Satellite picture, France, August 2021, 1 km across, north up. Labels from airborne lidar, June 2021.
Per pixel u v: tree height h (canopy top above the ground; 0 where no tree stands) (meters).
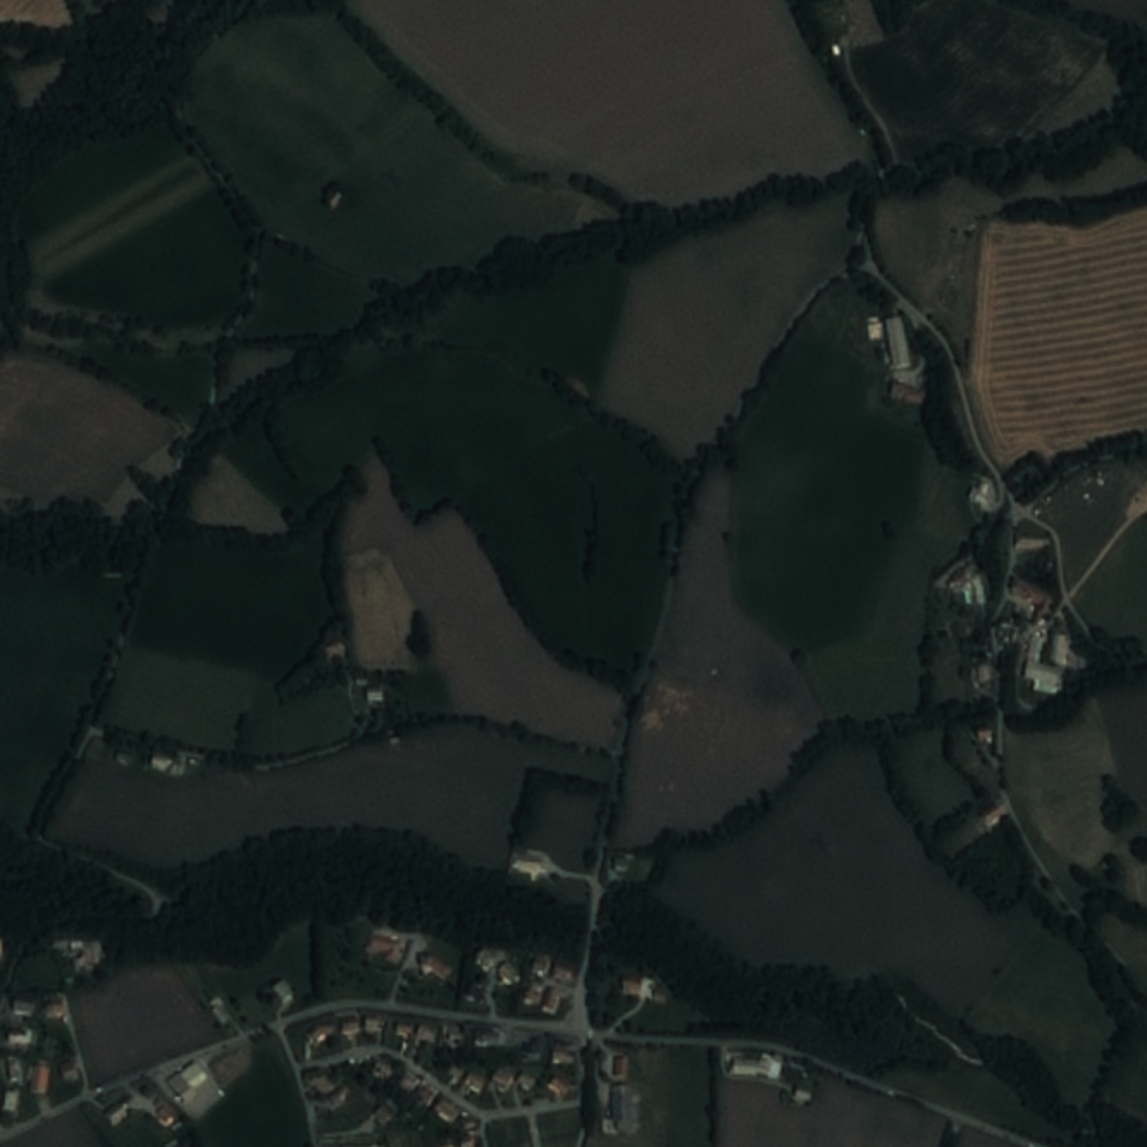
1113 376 0
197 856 0
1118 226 0
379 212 0
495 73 0
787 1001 21
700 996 24
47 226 0
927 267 0
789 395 0
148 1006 0
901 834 0
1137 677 15
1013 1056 20
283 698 6
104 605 0
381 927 12
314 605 0
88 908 22
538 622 14
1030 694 0
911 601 0
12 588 0
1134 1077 0
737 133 0
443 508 11
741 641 0
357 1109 0
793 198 19
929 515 0
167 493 16
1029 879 8
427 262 0
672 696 0
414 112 0
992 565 11
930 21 0
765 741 0
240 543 19
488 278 21
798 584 0
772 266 0
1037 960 0
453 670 0
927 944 0
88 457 0
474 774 0
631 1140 0
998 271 0
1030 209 15
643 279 0
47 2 0
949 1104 0
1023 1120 0
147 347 12
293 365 8
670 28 0
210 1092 0
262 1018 0
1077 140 21
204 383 0
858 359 0
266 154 0
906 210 0
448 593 0
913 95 0
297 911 21
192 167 0
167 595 0
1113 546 0
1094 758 0
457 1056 13
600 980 16
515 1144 0
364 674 8
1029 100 0
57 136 25
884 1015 18
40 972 0
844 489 0
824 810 0
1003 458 0
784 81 0
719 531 0
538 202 0
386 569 0
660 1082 0
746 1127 0
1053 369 0
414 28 0
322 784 0
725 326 0
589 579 9
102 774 0
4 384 0
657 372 0
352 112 0
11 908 26
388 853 21
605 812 6
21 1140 0
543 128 0
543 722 0
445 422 0
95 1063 0
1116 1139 18
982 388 0
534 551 0
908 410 0
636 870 0
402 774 0
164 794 0
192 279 0
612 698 0
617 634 0
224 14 27
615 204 12
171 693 0
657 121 0
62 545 23
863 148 0
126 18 26
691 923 8
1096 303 0
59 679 0
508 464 0
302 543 13
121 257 0
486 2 0
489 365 0
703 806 0
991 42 0
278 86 0
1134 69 18
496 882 19
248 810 0
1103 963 21
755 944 0
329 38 0
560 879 7
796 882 0
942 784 0
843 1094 0
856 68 0
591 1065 9
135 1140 0
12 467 0
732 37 0
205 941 26
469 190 0
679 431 0
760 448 0
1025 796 0
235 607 0
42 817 12
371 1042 6
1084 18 8
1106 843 0
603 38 0
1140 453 20
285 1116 0
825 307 0
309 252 9
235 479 0
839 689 0
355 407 0
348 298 0
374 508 0
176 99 19
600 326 0
